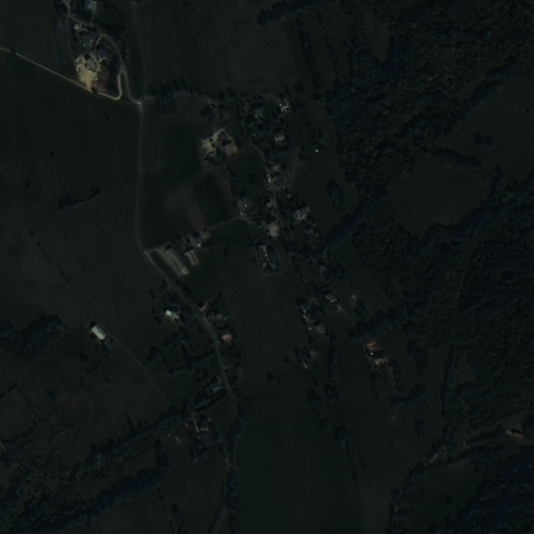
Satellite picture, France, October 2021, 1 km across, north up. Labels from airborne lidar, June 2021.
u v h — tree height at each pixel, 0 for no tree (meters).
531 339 9
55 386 0
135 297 0
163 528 0
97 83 0
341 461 0
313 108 0
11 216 0
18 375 0
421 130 15
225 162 10
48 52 0
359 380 0
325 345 0
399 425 0
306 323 9
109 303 0
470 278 12
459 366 7
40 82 0
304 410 0
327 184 0
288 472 0
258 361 0
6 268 0
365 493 0
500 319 10
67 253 0
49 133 0
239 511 14
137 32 0
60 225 0
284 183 0
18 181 0
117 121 0
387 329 11
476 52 16
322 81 13
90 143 0
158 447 13
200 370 10
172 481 0
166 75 0
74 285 0
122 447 12
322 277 0
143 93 0
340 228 0
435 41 21
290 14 19
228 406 0
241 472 0
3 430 0
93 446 0
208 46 0
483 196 0
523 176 0
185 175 0
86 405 0
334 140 0
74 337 0
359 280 0
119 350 0
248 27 0
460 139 0
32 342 18
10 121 0
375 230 19
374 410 0
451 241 14
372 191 11
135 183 0
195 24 0
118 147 0
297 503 0
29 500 13
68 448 0
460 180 0
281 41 0
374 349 0
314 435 0
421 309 23
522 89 0
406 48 18
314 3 16
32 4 0
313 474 0
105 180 0
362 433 0
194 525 0
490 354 14
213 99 11
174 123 0
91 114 0
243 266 0
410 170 15
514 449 0
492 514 16
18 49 0
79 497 13
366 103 17
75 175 0
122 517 0
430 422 0
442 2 16
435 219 0
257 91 0
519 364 12
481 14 12
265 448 0
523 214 20
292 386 0
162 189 0
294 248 9
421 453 0
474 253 12
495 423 14
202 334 9
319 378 0
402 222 0
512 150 0
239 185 14
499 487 20
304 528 0
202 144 0
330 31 0
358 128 20
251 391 0
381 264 21
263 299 0
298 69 0
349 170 11
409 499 16
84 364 11
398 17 14
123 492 13
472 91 0
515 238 15
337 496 0
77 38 8
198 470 0
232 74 0
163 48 0
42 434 0
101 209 0
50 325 15
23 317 0
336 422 0
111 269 0
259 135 0
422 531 0
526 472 20
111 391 0
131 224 0
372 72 16
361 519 0
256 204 0
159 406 0
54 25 0
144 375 0
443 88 16
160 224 0
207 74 0
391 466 0
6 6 0
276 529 0
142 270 0
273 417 0
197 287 0
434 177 0
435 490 0
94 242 0
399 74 21
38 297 0
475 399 12
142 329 0
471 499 0
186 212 0
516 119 0
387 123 23
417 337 18
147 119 0
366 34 7
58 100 0
